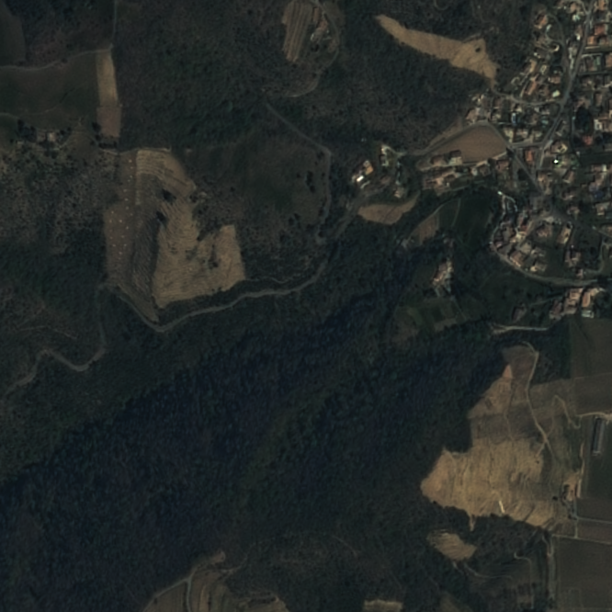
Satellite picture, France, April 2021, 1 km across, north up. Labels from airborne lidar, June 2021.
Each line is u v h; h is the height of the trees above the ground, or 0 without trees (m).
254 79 10
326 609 15
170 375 22
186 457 14
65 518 10
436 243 7
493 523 9
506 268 17
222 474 20
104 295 15
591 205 7
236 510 12
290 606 8
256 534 12
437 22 6
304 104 10
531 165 6
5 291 8
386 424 18
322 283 13
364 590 11
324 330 19
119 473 12
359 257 11
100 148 7
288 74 7
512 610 7
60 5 11
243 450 17
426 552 11
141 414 10
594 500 0
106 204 10
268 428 15
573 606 0
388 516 16
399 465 16
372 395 23
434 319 0
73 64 0
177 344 18
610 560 0
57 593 16
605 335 0
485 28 8
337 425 20
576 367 0
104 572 14
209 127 15
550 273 0
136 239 0
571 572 0
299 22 0
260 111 13
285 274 6
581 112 13
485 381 10
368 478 15
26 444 10
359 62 7
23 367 10
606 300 9
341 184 12
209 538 14
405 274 22
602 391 0
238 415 17
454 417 15
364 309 8
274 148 0
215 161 0
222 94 10
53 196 7
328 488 17
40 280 13
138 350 13
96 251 11
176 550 17
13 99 0
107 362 8
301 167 0
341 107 10
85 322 8
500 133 0
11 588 12
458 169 6
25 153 7
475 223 0
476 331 15
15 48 0
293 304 12
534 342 11
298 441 24
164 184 0
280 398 12
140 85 10
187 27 11
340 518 8
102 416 28
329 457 17
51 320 8
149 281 0
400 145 8
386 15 7
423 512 7
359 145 11
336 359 10
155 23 11
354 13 10
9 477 19
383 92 8
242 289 6
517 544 12
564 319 9
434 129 6
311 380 12
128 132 8
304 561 10
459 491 0
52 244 8
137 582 16
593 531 0
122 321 15
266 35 6
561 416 0
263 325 21
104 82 0
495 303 0
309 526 11
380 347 7
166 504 16
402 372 14
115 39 8
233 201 8
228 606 0
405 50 12
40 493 23
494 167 7
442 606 0
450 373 10
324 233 7
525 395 0
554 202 10
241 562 8
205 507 17
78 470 9
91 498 17
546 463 0
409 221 21
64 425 26
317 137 13
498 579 0
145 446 15
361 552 13
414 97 10
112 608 20
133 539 15
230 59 14
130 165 0
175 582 12
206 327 10
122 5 0
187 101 13
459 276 16
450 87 7
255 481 18
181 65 19
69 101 0
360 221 13
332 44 0
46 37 7
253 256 7
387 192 7
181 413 13
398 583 10
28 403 12
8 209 9
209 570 8
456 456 0
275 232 6
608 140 15
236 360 13
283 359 19
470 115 0
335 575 8
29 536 22
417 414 11
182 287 0
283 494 18
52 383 12
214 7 7
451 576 16
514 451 0
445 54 0
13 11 12
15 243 11
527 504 0
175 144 10
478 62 0
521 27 6
